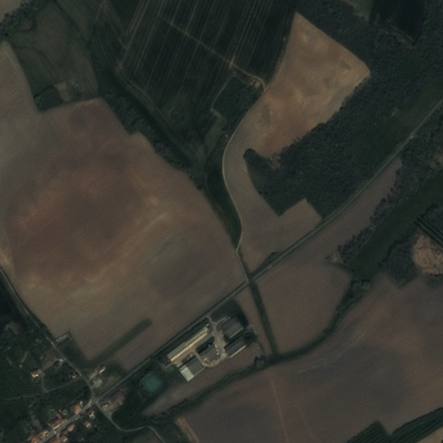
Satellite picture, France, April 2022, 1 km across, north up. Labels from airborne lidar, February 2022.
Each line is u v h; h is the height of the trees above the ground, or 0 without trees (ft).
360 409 0
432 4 63
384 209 61
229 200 0
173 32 0
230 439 0
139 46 0
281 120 0
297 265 0
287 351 0
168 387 0
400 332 0
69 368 22
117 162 0
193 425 0
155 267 0
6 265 0
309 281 0
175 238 0
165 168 0
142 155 0
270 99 0
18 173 0
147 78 0
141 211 0
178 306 0
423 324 0
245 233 0
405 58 22
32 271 0
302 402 0
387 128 0
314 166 60
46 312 0
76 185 0
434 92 0
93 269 0
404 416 0
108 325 0
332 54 0
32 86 0
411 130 0
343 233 0
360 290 55
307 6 49
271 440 0
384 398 0
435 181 0
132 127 54
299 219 0
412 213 0
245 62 0
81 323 0
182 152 0
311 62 0
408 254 63
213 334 0
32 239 0
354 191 28
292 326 0
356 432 0
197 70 0
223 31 0
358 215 0
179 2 0
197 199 0
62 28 0
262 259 0
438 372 0
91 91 0
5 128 0
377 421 0
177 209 0
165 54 0
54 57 0
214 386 0
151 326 0
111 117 0
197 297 0
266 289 0
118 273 0
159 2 0
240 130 0
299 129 0
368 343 0
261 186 0
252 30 0
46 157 0
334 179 67
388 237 0
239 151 0
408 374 0
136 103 0
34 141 0
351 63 0
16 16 66
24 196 0
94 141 0
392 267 56
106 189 0
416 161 71
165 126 0
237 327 0
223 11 0
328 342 0
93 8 0
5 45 0
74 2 0
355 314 0
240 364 0
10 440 0
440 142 59
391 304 0
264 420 0
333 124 55
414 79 20
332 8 46
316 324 0
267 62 0
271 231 0
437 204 0
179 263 0
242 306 0
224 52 0
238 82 20
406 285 0
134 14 0
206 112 0
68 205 0
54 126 0
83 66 0
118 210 0
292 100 0
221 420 0
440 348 0
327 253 0
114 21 0
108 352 0
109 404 0
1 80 0
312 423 0
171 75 0
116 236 0
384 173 0
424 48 25
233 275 0
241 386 0
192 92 0
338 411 0
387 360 0
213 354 0
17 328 0
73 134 0
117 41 0
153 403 0
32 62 0
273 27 0
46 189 0
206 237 0
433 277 0
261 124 0
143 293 0
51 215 0
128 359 0
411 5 0
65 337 0
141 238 0
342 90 0
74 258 0
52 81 0
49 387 0
